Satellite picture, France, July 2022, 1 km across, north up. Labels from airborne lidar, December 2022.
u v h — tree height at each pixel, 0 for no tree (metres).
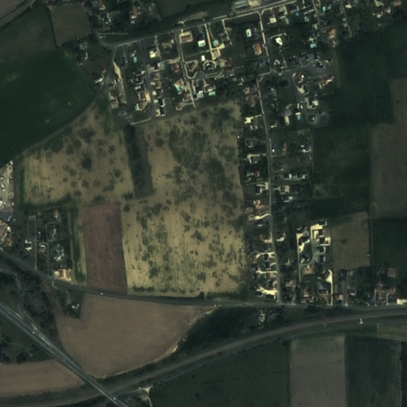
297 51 0
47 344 0
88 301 0
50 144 0
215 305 0
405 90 0
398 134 0
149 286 0
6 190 0
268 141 0
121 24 10
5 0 0
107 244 0
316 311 12
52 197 0
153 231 0
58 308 0
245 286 0
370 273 5
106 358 0
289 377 0
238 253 0
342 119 7
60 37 0
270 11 0
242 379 0
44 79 0
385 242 0
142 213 0
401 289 7
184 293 0
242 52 0
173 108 0
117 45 0
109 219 0
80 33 0
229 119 0
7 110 0
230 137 0
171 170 0
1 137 0
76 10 0
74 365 0
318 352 0
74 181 0
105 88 0
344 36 8
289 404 0
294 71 0
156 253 0
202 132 0
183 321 0
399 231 0
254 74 9
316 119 0
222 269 0
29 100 0
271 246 0
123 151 0
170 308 0
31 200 0
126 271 0
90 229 0
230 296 0
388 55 7
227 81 9
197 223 0
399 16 7
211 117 0
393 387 0
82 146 0
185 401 0
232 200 0
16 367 0
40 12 0
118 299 0
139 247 0
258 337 0
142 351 0
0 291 7
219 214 0
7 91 0
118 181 0
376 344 0
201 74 0
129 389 0
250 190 0
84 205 0
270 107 7
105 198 0
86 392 0
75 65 0
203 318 0
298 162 0
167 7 0
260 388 0
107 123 0
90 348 0
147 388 0
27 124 0
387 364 0
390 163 0
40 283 13
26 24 0
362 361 0
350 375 0
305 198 6
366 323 0
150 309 0
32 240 0
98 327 0
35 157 0
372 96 5
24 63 0
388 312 0
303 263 0
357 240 0
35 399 0
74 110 0
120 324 0
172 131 0
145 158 0
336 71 0
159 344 0
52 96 0
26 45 0
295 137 0
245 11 0
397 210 0
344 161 0
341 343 0
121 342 0
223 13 0
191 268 0
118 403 0
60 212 8
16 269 9
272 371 0
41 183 0
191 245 0
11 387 0
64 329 0
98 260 0
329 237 0
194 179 0
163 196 0
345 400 0
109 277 0
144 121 0
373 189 0
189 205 0
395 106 0
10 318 0
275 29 7
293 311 0
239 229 0
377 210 0
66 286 0
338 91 7
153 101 0
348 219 0
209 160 0
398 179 0
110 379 11
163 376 0
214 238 0
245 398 0
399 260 0
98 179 0
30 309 10
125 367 0
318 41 9
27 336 0
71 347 0
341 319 0
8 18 0
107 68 0
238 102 0
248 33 0
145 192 0
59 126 0
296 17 0
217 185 0
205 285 0
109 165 0
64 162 0
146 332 0
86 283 0
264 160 10
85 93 0
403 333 0
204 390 0
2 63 0
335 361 0
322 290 0
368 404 0
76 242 0
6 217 0
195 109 0
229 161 0
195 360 0
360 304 6
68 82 0
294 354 0
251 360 0
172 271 0
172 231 0
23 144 0
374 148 0
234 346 0
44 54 0
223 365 0
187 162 0
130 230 0
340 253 0
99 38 0
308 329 0
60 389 0
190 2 0
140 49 0
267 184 0
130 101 0
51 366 0
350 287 0
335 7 10
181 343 0
